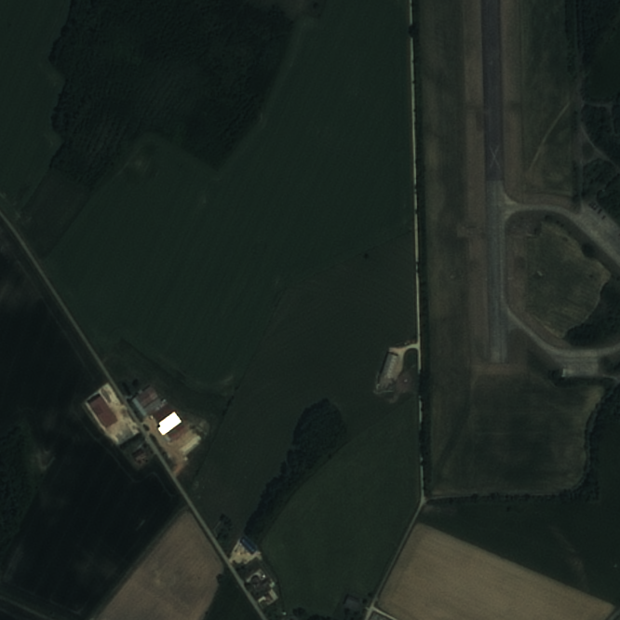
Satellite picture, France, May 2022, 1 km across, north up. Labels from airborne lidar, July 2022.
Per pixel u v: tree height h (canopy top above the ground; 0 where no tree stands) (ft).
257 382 0
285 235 0
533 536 0
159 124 32
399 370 0
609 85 0
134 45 29
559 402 0
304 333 0
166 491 0
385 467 0
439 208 0
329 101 0
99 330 0
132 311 0
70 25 25
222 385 0
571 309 0
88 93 35
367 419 0
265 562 0
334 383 0
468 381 0
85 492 0
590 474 34
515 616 0
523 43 0
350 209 0
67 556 0
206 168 0
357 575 0
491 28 0
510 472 0
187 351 0
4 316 0
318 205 0
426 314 18
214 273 0
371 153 0
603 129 36
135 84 26
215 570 0
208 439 0
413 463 0
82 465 0
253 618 0
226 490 0
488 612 0
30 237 0
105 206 0
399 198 0
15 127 0
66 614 0
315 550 0
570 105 0
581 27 31
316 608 0
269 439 0
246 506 0
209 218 0
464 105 0
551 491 0
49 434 0
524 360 0
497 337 0
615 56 0
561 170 0
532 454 0
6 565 0
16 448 19
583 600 0
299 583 0
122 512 0
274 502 72
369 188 0
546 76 0
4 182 0
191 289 0
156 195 0
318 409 59
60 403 0
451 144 0
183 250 0
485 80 0
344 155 0
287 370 0
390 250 0
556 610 0
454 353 0
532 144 0
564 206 0
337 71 0
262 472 0
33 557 0
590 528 0
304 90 0
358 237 0
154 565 0
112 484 0
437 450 0
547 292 0
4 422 0
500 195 0
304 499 0
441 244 0
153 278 0
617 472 0
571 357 0
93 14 44
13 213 0
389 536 0
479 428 0
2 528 37
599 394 0
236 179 0
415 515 0
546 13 0
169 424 0
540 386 0
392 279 0
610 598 0
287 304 0
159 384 0
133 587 0
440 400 0
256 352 0
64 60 39
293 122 0
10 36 0
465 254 0
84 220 0
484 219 0
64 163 45
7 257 0
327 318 0
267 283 0
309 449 76
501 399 0
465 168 0
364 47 0
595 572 0
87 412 0
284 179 0
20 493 41
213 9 21
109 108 24
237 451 0
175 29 21
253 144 0
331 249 0
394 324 0
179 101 27
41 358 0
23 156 0
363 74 0
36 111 0
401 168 0
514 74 0
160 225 0
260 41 26
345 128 0
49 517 0
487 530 0
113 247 0
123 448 32
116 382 0
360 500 0
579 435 0
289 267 0
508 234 0
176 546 0
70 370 0
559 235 0
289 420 0
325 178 0
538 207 0
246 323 0
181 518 0
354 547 0
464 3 0
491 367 0
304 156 0
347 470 0
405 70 0
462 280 0
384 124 0
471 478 0
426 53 0
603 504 0
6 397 0
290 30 20
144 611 0
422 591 0
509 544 0
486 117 0
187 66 24
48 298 0
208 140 26
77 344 0
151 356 0
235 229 0
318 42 0
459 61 0
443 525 0
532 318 0
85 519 0
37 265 0
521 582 0
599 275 0
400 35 0
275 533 0
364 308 0
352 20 0
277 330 0
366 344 0
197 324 0
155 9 17
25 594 0
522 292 0
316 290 0
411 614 0
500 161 0
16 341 0
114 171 0
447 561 0
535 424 0
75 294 0
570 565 0
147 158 0
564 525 0
